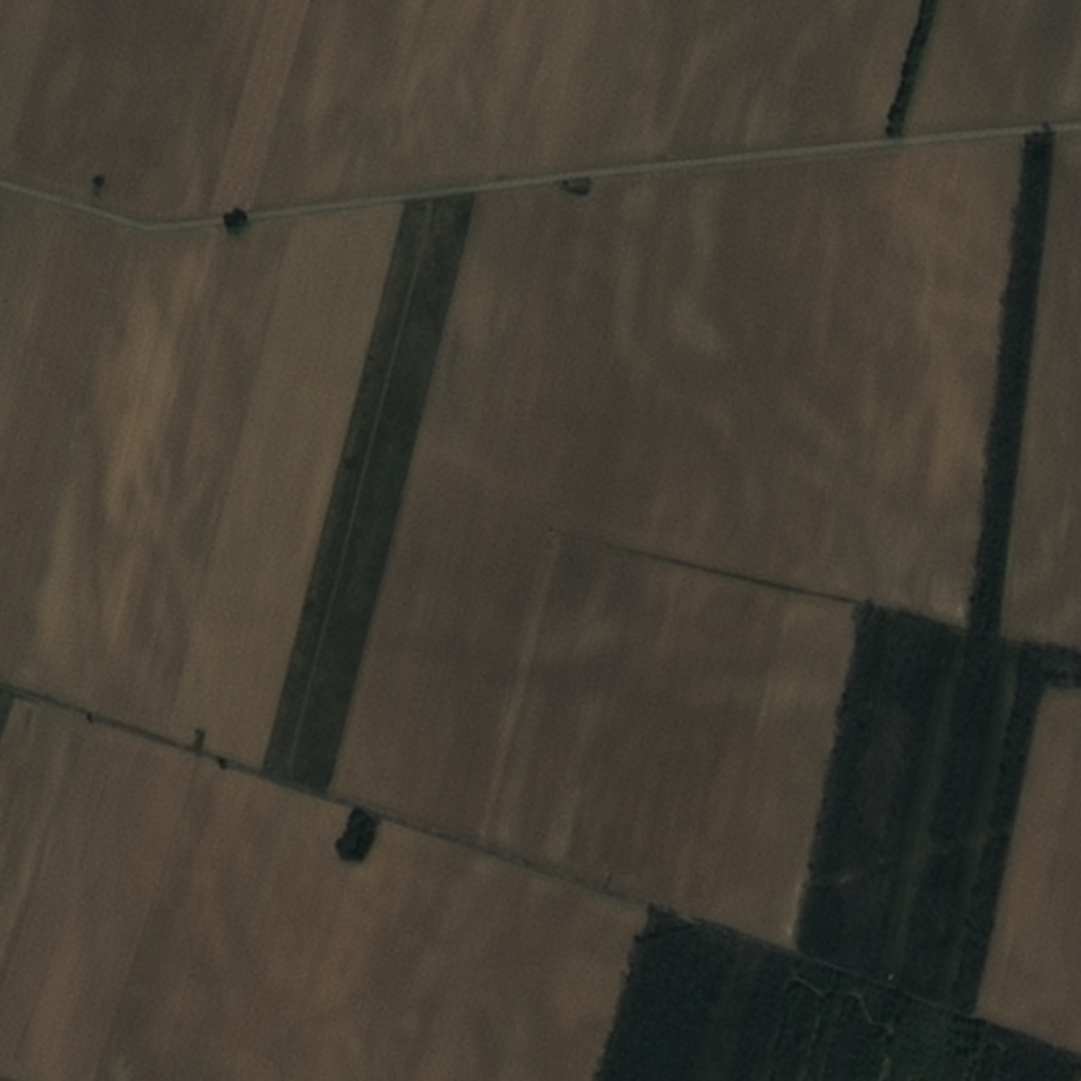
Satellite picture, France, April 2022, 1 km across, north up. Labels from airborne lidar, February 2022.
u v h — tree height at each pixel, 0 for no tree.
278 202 0
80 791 0
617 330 0
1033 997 0
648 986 12
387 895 0
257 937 0
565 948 0
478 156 0
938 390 0
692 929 11
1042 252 11
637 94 0
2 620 0
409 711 0
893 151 0
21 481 0
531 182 0
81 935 0
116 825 0
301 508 0
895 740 0
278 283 0
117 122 0
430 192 0
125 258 0
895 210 0
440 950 0
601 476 0
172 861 0
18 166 0
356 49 0
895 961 0
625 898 0
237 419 0
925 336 0
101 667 0
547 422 0
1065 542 0
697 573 0
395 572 0
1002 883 8
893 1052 11
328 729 0
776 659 0
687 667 0
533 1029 0
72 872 0
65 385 0
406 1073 0
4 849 0
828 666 0
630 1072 13
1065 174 0
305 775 0
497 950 0
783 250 0
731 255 0
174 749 0
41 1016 0
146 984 0
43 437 0
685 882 0
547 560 0
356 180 0
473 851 0
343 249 0
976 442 0
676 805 0
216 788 0
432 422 0
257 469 0
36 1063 0
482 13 0
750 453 0
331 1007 0
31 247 0
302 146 0
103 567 0
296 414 0
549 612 0
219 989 0
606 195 0
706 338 0
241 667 0
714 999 16
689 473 0
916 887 0
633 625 0
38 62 0
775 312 0
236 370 0
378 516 0
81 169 0
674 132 0
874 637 13
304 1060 0
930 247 0
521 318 0
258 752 0
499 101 0
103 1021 0
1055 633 0
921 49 9
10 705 0
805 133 0
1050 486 0
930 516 0
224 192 0
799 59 0
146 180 0
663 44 0
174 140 0
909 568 0
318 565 0
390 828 0
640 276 0
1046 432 0
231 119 0
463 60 0
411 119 0
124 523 0
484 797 0
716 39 0
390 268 0
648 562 0
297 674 0
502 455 0
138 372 0
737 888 0
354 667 0
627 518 0
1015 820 11
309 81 0
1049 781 0
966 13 0
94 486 0
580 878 0
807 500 0
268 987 0
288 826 0
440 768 0
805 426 0
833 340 0
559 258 0
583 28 0
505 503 0
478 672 0
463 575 0
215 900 0
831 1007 11
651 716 0
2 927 0
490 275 0
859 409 0
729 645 0
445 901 0
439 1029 0
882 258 0
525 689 0
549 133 0
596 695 0
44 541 0
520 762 0
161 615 0
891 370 0
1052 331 0
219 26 0
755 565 0
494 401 0
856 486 0
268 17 0
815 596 0
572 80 0
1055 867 0
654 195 0
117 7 0
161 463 0
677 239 0
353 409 0
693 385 0
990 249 0
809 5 0
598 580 0
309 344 0
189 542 0
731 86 0
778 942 0
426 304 0
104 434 0
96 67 0
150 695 0
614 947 0
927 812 0
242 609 0
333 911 0
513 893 0
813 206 0
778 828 0
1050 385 0
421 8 0
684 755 0
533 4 0
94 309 0
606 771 0
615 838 0
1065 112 0
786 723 0
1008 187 0
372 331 0
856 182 0
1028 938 0
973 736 14
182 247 0
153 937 0
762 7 0
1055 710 0
